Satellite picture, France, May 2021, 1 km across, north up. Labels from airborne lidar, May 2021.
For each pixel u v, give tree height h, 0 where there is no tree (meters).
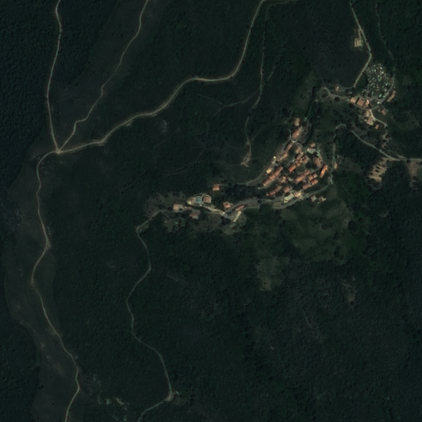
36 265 0
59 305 5
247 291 11
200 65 13
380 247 14
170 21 12
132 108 6
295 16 12
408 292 17
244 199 14
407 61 14
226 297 20
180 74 6
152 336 12
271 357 7
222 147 13
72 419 0
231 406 6
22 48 8
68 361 0
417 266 10
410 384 8
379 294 12
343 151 11
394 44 18
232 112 6
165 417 6
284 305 6
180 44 7
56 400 0
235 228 9
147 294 10
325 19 6
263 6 7
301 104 0
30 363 8
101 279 10
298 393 22
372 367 17
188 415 6
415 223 7
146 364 6
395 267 13
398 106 8
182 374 9
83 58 6
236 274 10
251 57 11
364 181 7
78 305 7
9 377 9
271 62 8
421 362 13
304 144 8
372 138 12
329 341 8
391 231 19
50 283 0
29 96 6
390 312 15
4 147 5
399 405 11
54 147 0
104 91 0
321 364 10
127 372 6
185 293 7
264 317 10
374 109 0
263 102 7
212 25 7
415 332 17
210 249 10
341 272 12
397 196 14
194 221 8
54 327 0
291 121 10
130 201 7
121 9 0
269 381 22
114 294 8
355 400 10
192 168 7
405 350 8
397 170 10
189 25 7
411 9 6
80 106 0
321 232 0
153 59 10
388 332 9
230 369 7
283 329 9
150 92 6
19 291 0
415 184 11
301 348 10
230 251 6
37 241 0
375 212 10
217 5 12
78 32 7
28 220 0
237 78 6
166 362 7
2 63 7
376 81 0
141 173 14
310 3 7
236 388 7
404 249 14
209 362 6
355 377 12
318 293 12
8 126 12
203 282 7
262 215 5
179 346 6
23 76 7
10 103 12
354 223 14
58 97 0
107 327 9
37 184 0
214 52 7
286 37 12
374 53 8
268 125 12
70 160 0
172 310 9
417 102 11
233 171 0
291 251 6
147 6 0
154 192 9
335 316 6
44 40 9
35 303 0
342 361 8
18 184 0
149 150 6
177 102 7
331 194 0
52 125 0
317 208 0
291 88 6
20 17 7
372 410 16
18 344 5
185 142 7
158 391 6
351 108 10
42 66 6
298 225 0
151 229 14
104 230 9
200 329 6
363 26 7
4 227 5
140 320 9
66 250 6
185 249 8
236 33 7
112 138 6
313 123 14
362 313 12
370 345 7
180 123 10
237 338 18
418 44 20
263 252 0
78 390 0
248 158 0
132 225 10
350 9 8
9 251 0
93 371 8
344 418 11
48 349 0
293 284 8
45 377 0
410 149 6
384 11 12
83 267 10
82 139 0
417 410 6
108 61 0
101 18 7
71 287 6
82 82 0
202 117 7
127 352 8
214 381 13
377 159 15
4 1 13
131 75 6
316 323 11
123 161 6
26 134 6
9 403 7
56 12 0
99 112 6
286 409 11
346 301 13
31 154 0
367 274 12
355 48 0
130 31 0
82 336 6
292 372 12
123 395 6
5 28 15
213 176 8
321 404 11
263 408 11
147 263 11
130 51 0
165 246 10
